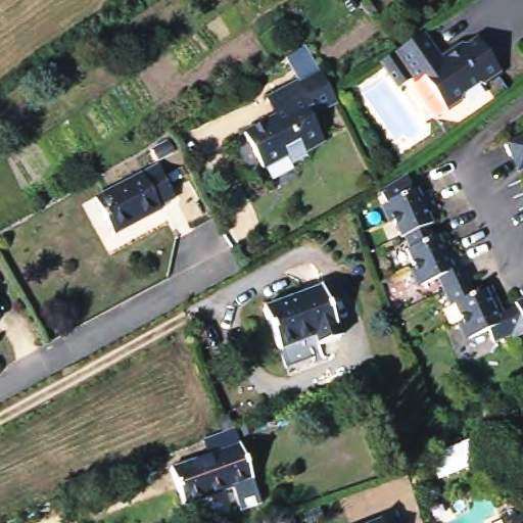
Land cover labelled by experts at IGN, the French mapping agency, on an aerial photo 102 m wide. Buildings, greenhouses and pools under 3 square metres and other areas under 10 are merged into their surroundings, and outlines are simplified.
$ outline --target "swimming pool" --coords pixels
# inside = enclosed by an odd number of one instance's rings
[[[451,523],[486,523],[494,507],[490,501],[476,501],[464,519]]]
[[[370,225],[378,225],[380,221],[378,212],[366,212],[366,221]]]

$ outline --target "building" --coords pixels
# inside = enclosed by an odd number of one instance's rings
[[[311,149],[321,147],[327,139],[321,133],[315,106],[325,104],[333,110],[339,102],[337,80],[325,76],[319,69],[319,61],[313,57],[313,47],[304,45],[288,57],[296,69],[296,78],[270,92],[272,112],[268,112],[262,118],[255,118],[249,125],[251,135],[245,139],[245,145],[249,147],[249,159],[253,163],[268,170],[282,157],[288,157],[294,163],[304,159]]]
[[[174,196],[182,192],[184,184],[178,180],[178,165],[170,161],[151,161],[147,168],[135,170],[110,184],[102,190],[98,198],[104,204],[104,208],[108,208],[114,229],[121,231],[137,223],[139,219],[159,210],[165,202],[170,202]]]
[[[505,153],[515,163],[515,170],[523,172],[523,145],[509,143],[505,143]]]
[[[280,319],[284,343],[292,343],[311,335],[327,337],[343,333],[339,329],[341,315],[337,298],[333,296],[323,276],[306,282],[300,280],[288,288],[284,286],[274,298],[274,304],[270,306],[272,313]]]
[[[290,521],[290,519],[270,519],[270,523],[292,523],[292,521]]]
[[[168,470],[168,474],[176,490],[182,505],[188,498],[192,505],[206,511],[229,509],[233,503],[239,509],[247,509],[257,507],[259,490],[255,482],[253,458],[245,445],[247,435],[243,433],[243,429],[219,431],[210,433],[206,443],[202,451],[184,456],[178,468]]]
[[[415,523],[413,513],[405,509],[402,503],[396,503],[386,511],[374,513],[351,523]]]
[[[447,106],[456,106],[472,86],[480,82],[501,80],[501,76],[509,69],[498,67],[492,49],[478,39],[478,33],[458,41],[443,41],[443,35],[437,29],[415,35],[398,51],[392,51],[390,57],[384,57],[380,69],[390,72],[400,90],[407,88],[409,78],[431,78],[441,90]]]
[[[462,329],[468,335],[490,325],[494,337],[503,339],[523,335],[523,286],[505,290],[494,274],[478,270],[474,266],[474,262],[466,255],[466,249],[462,247],[462,237],[449,225],[445,202],[439,192],[435,192],[429,176],[417,172],[405,174],[392,180],[386,186],[386,190],[378,194],[386,219],[384,223],[384,235],[402,237],[402,243],[411,245],[411,255],[417,262],[417,268],[413,272],[413,278],[417,282],[423,282],[435,276],[437,272],[441,274],[441,284],[433,292],[439,300],[447,298],[449,302],[458,304],[460,313],[464,315]]]
[[[513,511],[501,517],[503,523],[523,523],[523,513]]]

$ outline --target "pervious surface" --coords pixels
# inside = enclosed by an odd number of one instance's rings
[[[29,321],[22,319],[18,313],[10,313],[10,296],[6,292],[4,276],[0,272],[0,355],[6,358],[6,362],[14,355],[27,358],[37,349],[37,345]]]
[[[63,376],[0,411],[0,427],[20,417],[22,413],[63,394],[65,390],[90,380],[92,376],[108,370],[125,358],[137,353],[139,349],[145,349],[147,345],[153,345],[155,341],[163,339],[165,335],[182,329],[192,317],[198,319],[202,325],[196,337],[184,339],[186,345],[198,343],[202,339],[206,341],[210,351],[217,349],[217,343],[223,343],[223,329],[219,327],[212,311],[202,306],[202,300],[165,319],[157,327],[129,339],[127,343],[106,351],[104,355],[88,362],[86,366],[74,370]]]
[[[98,513],[92,513],[92,521],[108,519],[110,515],[116,515],[125,509],[133,509],[153,496],[176,490],[168,474],[163,474],[143,492],[135,494],[131,501],[118,501]]]
[[[172,454],[168,460],[168,470],[178,468],[184,456],[202,451],[206,443],[198,441]]]
[[[376,33],[374,22],[360,20],[349,33],[345,33],[333,45],[323,47],[323,53],[329,57],[343,57],[347,51],[366,43]]]

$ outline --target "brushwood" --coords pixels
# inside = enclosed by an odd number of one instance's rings
[[[198,353],[200,362],[210,360],[210,351],[206,341],[202,339],[198,343],[186,345],[188,353]]]
[[[0,255],[8,264],[12,276],[16,278],[35,313],[41,311],[41,302],[31,288],[31,282],[41,282],[43,278],[47,278],[47,272],[39,268],[37,262],[29,264],[27,268],[18,268],[12,255],[14,229],[12,225],[8,225],[0,229]]]
[[[0,400],[0,411],[63,376],[61,370],[55,370]]]
[[[298,458],[294,464],[276,466],[278,476],[302,474],[306,470],[306,464]]]
[[[145,278],[151,272],[159,270],[161,264],[155,253],[133,251],[129,259],[133,276]]]
[[[480,421],[488,417],[486,400],[480,394],[472,390],[470,380],[460,372],[458,364],[449,370],[449,374],[443,374],[435,380],[435,384],[451,400],[451,407],[435,407],[433,417],[439,425],[454,427],[456,431],[460,431],[464,441],[468,443],[480,433]]]
[[[402,300],[386,300],[386,304],[382,306],[384,319],[388,325],[398,329],[400,341],[407,343],[411,351],[423,347],[423,337],[415,337],[407,331],[402,319]]]
[[[266,188],[278,186],[276,178],[270,176],[268,170],[253,163],[235,163],[235,174],[257,194]]]
[[[18,511],[18,519],[22,523],[37,523],[45,519],[45,507],[31,501],[22,503]]]
[[[202,325],[198,319],[192,317],[182,329],[184,339],[196,337]]]
[[[188,498],[182,505],[174,511],[174,515],[168,521],[159,523],[243,523],[249,515],[247,509],[239,509],[233,503],[229,509],[206,511],[192,505]]]
[[[345,496],[376,486],[372,482],[372,476],[319,492],[306,484],[278,484],[276,490],[280,496],[270,505],[262,507],[270,519],[290,519],[290,521],[292,521],[296,515],[306,517],[308,509],[319,507],[323,507],[323,517],[327,521],[343,511],[341,503]]]
[[[376,33],[366,43],[347,51],[343,57],[329,57],[323,53],[323,47],[321,29],[311,25],[304,45],[313,47],[313,57],[319,61],[319,69],[325,76],[337,80],[339,102],[333,110],[333,118],[345,118],[347,129],[351,131],[358,149],[366,159],[366,170],[355,180],[358,194],[317,215],[311,208],[311,204],[304,204],[304,192],[296,190],[288,198],[286,212],[282,215],[282,223],[276,231],[268,235],[257,235],[253,229],[247,233],[245,239],[233,245],[233,251],[241,253],[247,259],[247,264],[237,268],[235,274],[200,292],[188,294],[182,302],[174,304],[172,308],[151,317],[135,329],[78,358],[72,366],[74,370],[86,366],[88,362],[104,355],[106,351],[127,343],[129,339],[157,327],[165,319],[202,300],[243,280],[251,272],[278,259],[290,249],[302,247],[308,241],[317,241],[327,253],[331,253],[335,262],[351,262],[351,274],[364,276],[366,272],[372,272],[378,280],[384,280],[378,253],[370,253],[370,247],[364,239],[364,235],[370,233],[370,225],[366,221],[366,212],[378,212],[380,221],[384,223],[386,219],[378,194],[386,190],[386,186],[392,180],[405,174],[417,172],[429,176],[431,170],[435,170],[449,153],[466,145],[478,131],[488,127],[505,112],[509,112],[519,102],[523,102],[523,72],[519,76],[511,76],[515,84],[507,90],[498,90],[492,96],[492,100],[486,102],[482,108],[478,108],[464,121],[454,121],[441,137],[435,139],[429,133],[423,141],[398,153],[396,145],[386,137],[384,129],[366,108],[360,92],[360,84],[380,69],[384,57],[390,57],[392,51],[398,51],[415,35],[437,29],[456,18],[462,10],[466,10],[466,6],[472,0],[390,0],[380,14],[374,14],[374,22]],[[343,253],[329,233],[319,231],[321,223],[335,223],[341,215],[355,217],[355,253]]]
[[[523,116],[505,127],[509,143],[523,145]]]
[[[45,59],[61,57],[65,53],[72,55],[78,43],[98,41],[98,33],[106,25],[141,22],[145,8],[153,0],[102,0],[102,10],[84,16],[72,29],[67,29],[53,41],[41,45],[33,55],[22,59],[20,65],[12,67],[8,74],[0,78],[0,98],[6,98],[12,90],[18,88],[20,78],[25,78],[27,74],[31,74],[37,82],[47,82],[51,78],[43,65]]]
[[[165,445],[172,454],[198,441],[206,443],[210,433],[219,431],[223,407],[219,402],[212,402],[215,413],[202,431],[194,431],[190,437],[180,437],[174,443]]]
[[[437,474],[429,480],[417,482],[417,486],[413,488],[417,505],[421,509],[423,523],[441,523],[433,517],[435,507],[449,509],[456,501],[462,498],[476,501],[490,501],[494,507],[507,503],[498,496],[498,488],[490,480],[490,476],[478,470],[468,460],[466,470],[460,470],[447,478],[439,478]]]
[[[227,161],[235,157],[239,151],[243,151],[245,145],[245,139],[243,135],[233,133],[223,141],[223,159]]]

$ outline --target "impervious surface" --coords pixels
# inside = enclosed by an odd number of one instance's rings
[[[513,507],[507,503],[494,507],[486,523],[503,523],[501,517],[513,511]]]
[[[449,225],[462,237],[462,247],[466,249],[466,255],[474,262],[474,266],[478,270],[494,274],[505,290],[523,286],[523,172],[515,170],[515,163],[505,153],[505,143],[509,143],[505,127],[523,116],[523,102],[519,102],[509,112],[505,112],[488,127],[478,131],[466,145],[449,153],[435,170],[431,170],[429,176],[435,192],[439,192],[445,202]]]
[[[445,458],[437,474],[439,478],[447,478],[460,470],[466,470],[468,460],[468,443],[464,441],[456,443],[451,449],[451,454]]]
[[[441,284],[441,274],[437,272],[435,276],[423,282],[417,282],[413,278],[413,272],[417,268],[417,262],[411,255],[411,245],[402,243],[400,251],[392,251],[392,257],[400,266],[400,272],[396,272],[390,278],[390,286],[384,288],[386,300],[402,300],[415,300],[421,298],[425,292],[433,292]]]
[[[460,360],[468,358],[470,353],[474,353],[476,358],[492,353],[496,351],[496,345],[503,339],[494,337],[490,325],[468,335],[462,329],[464,315],[460,313],[458,304],[449,302],[447,298],[439,300],[445,308],[447,321],[454,325],[449,329],[449,339]]]
[[[433,517],[441,523],[451,523],[464,519],[476,501],[462,498],[456,501],[449,509],[435,507]]]
[[[262,306],[262,315],[272,327],[274,343],[280,351],[280,362],[266,366],[264,370],[255,368],[255,372],[251,374],[249,380],[255,384],[255,390],[264,394],[278,392],[280,398],[294,400],[300,394],[300,388],[329,384],[335,378],[339,378],[345,370],[349,370],[362,364],[364,360],[374,358],[368,351],[366,327],[358,321],[355,315],[355,300],[364,276],[351,274],[351,262],[335,262],[331,253],[327,253],[317,241],[308,241],[302,247],[290,249],[278,259],[251,272],[243,280],[202,300],[202,306],[212,311],[219,327],[223,329],[223,343],[229,343],[229,329],[241,327],[245,290],[255,288],[259,294],[274,298],[284,286],[288,288],[300,280],[306,282],[323,276],[333,296],[337,298],[341,315],[339,329],[343,333],[327,337],[311,335],[292,343],[284,343],[280,319],[272,313],[270,306]]]
[[[325,104],[315,106],[321,133],[327,139],[333,131],[333,118],[333,110]]]
[[[276,178],[290,172],[294,163],[288,157],[282,157],[268,170],[270,176]]]
[[[472,86],[456,106],[447,106],[441,90],[431,78],[409,78],[407,88],[400,90],[390,72],[380,69],[360,84],[360,92],[366,108],[384,129],[386,137],[396,145],[398,153],[423,141],[429,133],[431,118],[454,121],[464,121],[478,108],[482,108],[486,102],[492,100],[492,96],[498,90],[507,90],[515,84],[511,76],[519,76],[523,72],[523,0],[472,0],[466,6],[466,10],[462,10],[456,18],[437,29],[443,35],[443,41],[458,41],[478,33],[478,39],[492,49],[498,67],[509,69],[501,76],[501,80],[480,82]]]
[[[423,523],[421,509],[417,505],[413,488],[409,484],[409,478],[396,478],[376,486],[345,496],[341,503],[343,511],[349,523],[351,523],[374,513],[386,511],[396,503],[402,503],[405,509],[413,513],[415,523]]]
[[[247,264],[247,259],[241,253],[233,251],[233,245],[245,239],[247,233],[253,229],[257,225],[253,202],[257,200],[257,194],[235,174],[235,163],[253,163],[249,159],[249,147],[245,145],[243,151],[239,151],[235,157],[227,161],[223,159],[223,141],[233,133],[243,135],[245,139],[251,135],[249,125],[255,118],[262,118],[268,112],[272,112],[270,92],[296,78],[296,69],[288,57],[284,57],[272,72],[268,72],[270,82],[259,90],[259,96],[253,102],[237,110],[231,110],[215,121],[208,121],[192,129],[192,133],[188,133],[178,123],[172,131],[165,131],[161,137],[151,141],[147,149],[139,149],[133,157],[127,157],[108,170],[104,174],[104,176],[110,184],[135,170],[147,168],[151,161],[170,161],[178,165],[178,180],[184,184],[182,192],[174,196],[170,202],[165,202],[159,210],[139,219],[137,223],[121,231],[114,229],[108,208],[104,208],[104,204],[98,198],[84,202],[84,210],[92,221],[98,237],[102,239],[106,251],[114,251],[131,243],[133,239],[153,231],[159,225],[170,225],[172,231],[180,233],[174,247],[174,251],[178,251],[178,264],[174,276],[145,288],[143,292],[82,323],[69,335],[57,335],[49,339],[47,343],[37,345],[37,349],[27,358],[14,355],[6,362],[6,358],[0,355],[0,400],[55,370],[61,370],[63,376],[74,370],[72,366],[78,358],[135,329],[151,317],[172,308],[174,304],[182,302],[188,294],[200,292],[235,274],[237,268]],[[198,190],[194,186],[194,174],[186,176],[184,165],[180,165],[184,161],[182,153],[188,147],[200,151],[200,155],[208,159],[206,170],[215,170],[215,174],[223,178],[231,194],[231,206],[239,210],[235,227],[229,229],[225,235],[217,233],[210,217],[210,202],[206,202],[204,196],[198,196]]]

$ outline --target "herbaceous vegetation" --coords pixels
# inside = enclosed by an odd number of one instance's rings
[[[286,212],[288,198],[296,190],[304,192],[304,204],[311,204],[311,208],[317,215],[358,194],[355,180],[366,170],[366,159],[358,149],[351,131],[347,129],[345,118],[333,118],[333,131],[327,139],[321,147],[311,149],[304,159],[294,163],[290,172],[276,178],[278,186],[266,188],[257,194],[257,200],[253,202],[257,225],[253,229],[257,235],[268,235],[276,231],[282,223],[282,215]]]
[[[0,272],[4,276],[6,292],[10,296],[10,313],[18,313],[22,319],[29,321],[37,345],[47,343],[49,339],[41,323],[37,321],[35,313],[16,278],[12,276],[8,264],[0,255]]]
[[[292,523],[349,523],[343,511],[327,521],[323,517],[323,507],[319,507],[308,509],[306,517],[296,515],[292,521]]]
[[[435,139],[441,137],[454,121],[431,118],[429,133]]]
[[[449,374],[449,370],[458,364],[460,372],[470,380],[472,390],[480,394],[484,390],[498,388],[501,382],[509,378],[513,370],[521,368],[523,360],[523,335],[503,339],[496,345],[496,351],[492,353],[476,358],[474,353],[470,353],[468,358],[460,360],[449,339],[449,329],[454,325],[447,321],[445,308],[439,300],[433,292],[425,292],[421,298],[415,300],[402,300],[402,319],[407,331],[415,337],[423,337],[423,347],[411,351],[407,343],[400,341],[398,329],[388,325],[384,319],[382,306],[386,304],[386,300],[384,288],[390,286],[390,278],[396,272],[400,272],[400,266],[392,257],[392,251],[400,251],[402,243],[402,237],[384,235],[384,223],[380,221],[378,225],[370,225],[370,233],[364,235],[364,239],[370,247],[370,253],[378,253],[384,280],[378,280],[372,272],[366,272],[364,276],[355,300],[355,315],[358,321],[366,327],[368,351],[374,358],[364,360],[362,364],[349,370],[353,378],[362,382],[358,396],[382,398],[384,407],[392,417],[392,427],[396,431],[400,451],[409,462],[417,462],[421,458],[421,454],[427,449],[429,439],[443,441],[451,449],[456,443],[464,441],[460,431],[456,431],[454,427],[439,425],[433,417],[435,407],[451,407],[451,400],[435,384],[435,380],[443,374]]]
[[[245,355],[243,368],[251,374],[255,372],[255,368],[264,370],[266,366],[280,362],[280,351],[274,343],[272,327],[262,315],[262,306],[270,306],[274,304],[274,298],[259,294],[255,288],[245,290],[241,327],[229,329],[229,343],[241,355]]]
[[[108,170],[104,168],[102,157],[98,153],[90,151],[78,151],[65,157],[63,161],[67,165],[90,165],[94,174],[104,174]]]
[[[243,429],[243,433],[247,435],[245,445],[253,458],[255,482],[259,490],[257,507],[247,509],[249,515],[243,523],[270,523],[270,519],[262,507],[270,505],[280,496],[276,490],[278,484],[306,484],[319,492],[372,476],[376,462],[374,449],[366,439],[366,429],[362,425],[341,429],[337,437],[331,437],[323,443],[298,437],[296,423],[282,419],[262,425],[257,433],[249,433],[245,425],[241,425],[239,411],[253,409],[264,394],[255,390],[255,384],[249,380],[239,384],[219,402],[223,407],[219,431]],[[306,470],[302,474],[278,476],[276,466],[294,464],[298,458],[306,464]]]
[[[153,231],[133,239],[131,243],[114,251],[106,251],[102,239],[98,237],[92,221],[84,210],[84,202],[98,198],[102,190],[110,184],[104,176],[90,190],[86,190],[86,194],[61,194],[57,184],[53,182],[53,174],[45,176],[33,188],[20,188],[10,170],[10,157],[0,155],[0,229],[8,225],[12,225],[14,229],[12,255],[18,268],[27,268],[29,264],[37,262],[39,268],[47,272],[47,278],[43,278],[41,282],[31,282],[31,288],[41,302],[47,302],[55,296],[65,304],[74,304],[78,308],[78,321],[82,323],[143,292],[145,288],[174,276],[178,264],[178,251],[174,251],[174,247],[180,233],[172,231],[170,225],[159,225]],[[151,272],[145,278],[133,276],[129,259],[133,251],[155,253],[161,264],[159,270]]]
[[[319,231],[329,233],[343,253],[355,253],[355,217],[341,215],[335,223],[321,223]]]
[[[41,137],[41,127],[45,121],[43,108],[33,110],[27,102],[12,102],[6,98],[0,98],[0,123],[12,125],[29,145],[33,145]]]
[[[241,35],[253,33],[259,41],[257,53],[266,59],[272,53],[284,53],[280,45],[276,45],[272,39],[276,20],[282,18],[282,12],[278,12],[276,8],[302,14],[308,18],[311,25],[321,29],[323,47],[333,45],[345,33],[349,33],[360,20],[374,22],[374,14],[380,14],[390,0],[219,0],[212,10],[212,16],[221,18],[229,29],[235,29]]]
[[[174,515],[174,511],[182,505],[176,490],[153,496],[133,509],[125,509],[116,515],[110,515],[108,519],[92,521],[88,523],[159,523],[168,521]]]

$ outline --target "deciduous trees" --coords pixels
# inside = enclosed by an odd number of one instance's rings
[[[413,488],[417,486],[417,482],[429,480],[437,474],[445,458],[451,454],[451,449],[443,441],[429,439],[427,449],[421,454],[421,458],[417,462],[409,462],[400,451],[396,431],[392,427],[392,417],[384,407],[382,398],[358,396],[362,382],[353,378],[349,370],[345,370],[339,378],[335,378],[329,384],[300,388],[300,394],[294,400],[280,398],[278,392],[264,394],[253,409],[239,411],[241,425],[245,425],[249,433],[257,433],[262,425],[282,419],[296,423],[298,437],[323,443],[331,437],[337,437],[341,429],[362,425],[366,429],[366,439],[374,449],[376,462],[372,476],[372,482],[376,486],[396,478],[409,478],[409,484]]]
[[[257,53],[241,61],[235,57],[221,59],[206,80],[194,82],[192,86],[184,86],[174,100],[163,102],[155,110],[147,112],[143,116],[143,123],[145,137],[151,141],[161,137],[165,131],[172,131],[178,123],[188,133],[192,133],[192,129],[208,121],[215,121],[231,110],[237,110],[253,102],[259,96],[259,90],[270,82],[268,72],[272,72],[284,57],[288,57],[304,45],[311,25],[308,18],[302,14],[276,8],[278,12],[282,12],[282,18],[276,20],[272,39],[276,45],[280,45],[284,53],[272,53],[266,59]]]
[[[10,157],[20,153],[29,145],[12,125],[0,123],[0,155]]]
[[[143,492],[163,474],[168,474],[168,470],[168,460],[172,454],[165,445],[159,441],[151,441],[135,447],[129,456],[110,454],[94,462],[90,468],[69,472],[67,478],[57,484],[59,490],[55,492],[53,501],[45,507],[45,519],[37,523],[88,523],[92,521],[92,513],[98,513],[118,501],[131,501],[135,494]]]
[[[55,296],[47,302],[41,302],[41,311],[35,313],[37,321],[41,323],[49,339],[57,335],[69,335],[82,323],[78,321],[78,308],[74,304],[65,304]]]
[[[468,443],[468,460],[478,470],[490,476],[490,480],[498,488],[498,496],[507,503],[513,507],[513,511],[523,513],[523,360],[521,368],[513,370],[509,378],[501,382],[498,388],[484,390],[480,394],[486,400],[488,417],[480,421],[480,433]]]
[[[110,47],[98,41],[78,43],[72,55],[65,53],[61,57],[45,59],[43,65],[51,78],[47,82],[37,82],[31,74],[27,74],[25,78],[20,78],[18,88],[12,90],[6,98],[12,102],[27,102],[33,110],[43,108],[59,94],[80,84],[96,67],[104,67],[112,76],[137,78],[161,55],[165,55],[172,45],[178,43],[163,29],[157,29],[153,37],[141,37],[139,41],[131,35],[116,37]]]
[[[210,351],[210,360],[200,362],[200,380],[212,402],[219,402],[239,384],[249,380],[251,374],[243,368],[245,355],[241,355],[229,343],[223,343],[217,343],[217,349]]]
[[[215,174],[215,170],[206,170],[208,159],[200,155],[200,151],[188,147],[182,153],[184,161],[180,165],[184,165],[186,176],[194,174],[194,186],[198,190],[198,196],[204,196],[206,202],[210,202],[210,217],[217,233],[225,235],[229,229],[235,227],[239,210],[231,206],[231,194],[223,178]]]
[[[90,165],[67,165],[63,161],[53,174],[53,182],[57,184],[61,194],[86,194],[86,190],[90,190],[104,176],[104,174],[94,174]]]

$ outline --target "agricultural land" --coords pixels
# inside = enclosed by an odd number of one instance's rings
[[[84,16],[102,10],[102,0],[0,0],[0,78],[8,74],[12,67],[20,65],[22,59],[33,55],[41,45],[53,41],[67,29],[72,29]]]
[[[92,376],[90,380],[65,390],[63,394],[22,413],[20,417],[0,427],[0,523],[22,523],[18,519],[18,511],[22,503],[31,501],[45,507],[53,501],[55,492],[59,490],[57,484],[67,478],[69,472],[90,468],[94,462],[110,454],[129,456],[135,447],[151,441],[159,441],[165,445],[174,443],[180,437],[190,437],[194,431],[202,431],[215,413],[212,402],[200,380],[200,362],[198,353],[188,353],[186,345],[184,339],[182,329],[165,335],[163,339],[155,341],[153,345],[147,345],[145,349],[139,349],[137,353],[125,358],[108,370]]]
[[[163,102],[174,100],[184,86],[192,86],[194,82],[206,80],[221,59],[235,57],[241,61],[257,53],[259,41],[253,33],[241,35],[235,29],[229,29],[221,18],[212,16],[212,10],[219,0],[153,0],[145,8],[141,22],[106,25],[98,33],[98,41],[110,47],[116,37],[131,35],[139,41],[141,37],[153,37],[157,29],[163,29],[178,43],[172,45],[165,55],[161,55],[137,78],[112,76],[104,67],[96,67],[80,84],[59,94],[43,108],[45,121],[41,127],[41,137],[33,145],[29,145],[20,153],[10,157],[10,170],[20,188],[33,188],[45,176],[53,174],[63,161],[65,157],[78,151],[90,151],[98,153],[102,157],[104,168],[108,170],[127,157],[133,157],[139,149],[147,149],[151,141],[145,137],[143,123],[143,116],[147,112],[155,110]]]

